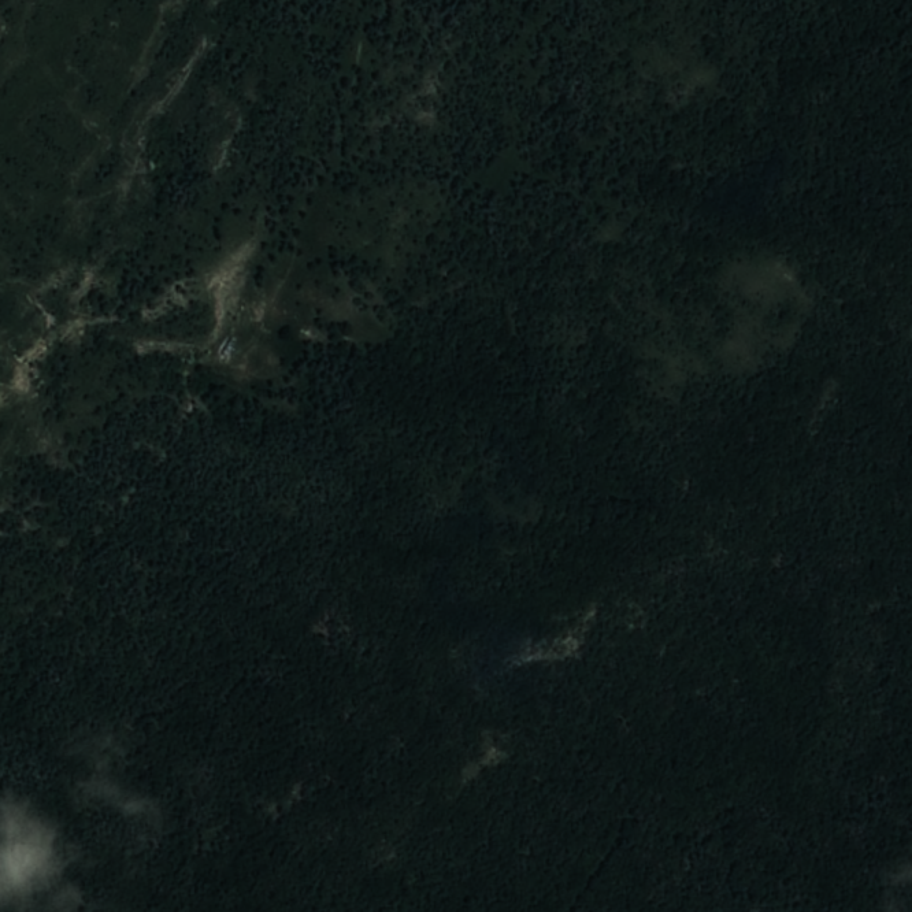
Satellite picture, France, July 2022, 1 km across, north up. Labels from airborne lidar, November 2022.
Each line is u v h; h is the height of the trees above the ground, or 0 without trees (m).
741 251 10
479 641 9
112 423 14
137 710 14
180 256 7
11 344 0
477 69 10
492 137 11
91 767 16
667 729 16
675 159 13
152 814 12
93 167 0
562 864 13
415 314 10
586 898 16
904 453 22
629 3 9
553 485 16
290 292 0
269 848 10
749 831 23
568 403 18
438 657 12
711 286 7
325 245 0
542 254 13
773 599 19
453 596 18
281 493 10
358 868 13
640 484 21
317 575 9
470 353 16
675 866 14
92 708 12
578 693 13
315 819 12
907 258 9
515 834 13
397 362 16
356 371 18
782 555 15
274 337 0
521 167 0
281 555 15
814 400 15
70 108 0
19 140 0
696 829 24
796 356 13
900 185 17
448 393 20
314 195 6
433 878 19
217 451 16
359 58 0
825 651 23
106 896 14
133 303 15
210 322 0
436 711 16
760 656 20
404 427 11
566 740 16
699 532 6
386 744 22
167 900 15
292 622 19
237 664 17
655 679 16
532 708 12
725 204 16
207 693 10
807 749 18
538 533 12
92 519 10
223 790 16
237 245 0
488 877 12
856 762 16
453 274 12
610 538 15
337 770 12
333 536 15
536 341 14
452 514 12
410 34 8
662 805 16
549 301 14
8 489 0
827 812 19
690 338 8
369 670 19
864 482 8
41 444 0
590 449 17
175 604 11
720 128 13
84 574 10
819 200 13
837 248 14
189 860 13
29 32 0
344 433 15
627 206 14
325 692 17
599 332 11
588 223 15
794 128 11
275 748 9
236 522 16
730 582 21
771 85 13
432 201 0
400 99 7
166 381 11
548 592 15
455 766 15
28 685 13
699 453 14
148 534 13
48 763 14
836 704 17
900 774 22
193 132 9
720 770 19
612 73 11
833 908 27
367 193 13
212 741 18
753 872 26
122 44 0
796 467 13
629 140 6
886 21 20
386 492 15
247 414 9
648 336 9
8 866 13
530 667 8
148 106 0
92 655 9
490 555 16
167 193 11
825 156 9
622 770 16
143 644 12
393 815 14
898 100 20
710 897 19
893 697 16
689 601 13
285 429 17
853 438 19
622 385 17
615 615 7
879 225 11
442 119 9
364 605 13
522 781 9
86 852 12
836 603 19
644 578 11
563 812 14
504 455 13
